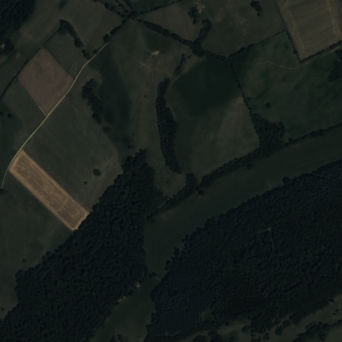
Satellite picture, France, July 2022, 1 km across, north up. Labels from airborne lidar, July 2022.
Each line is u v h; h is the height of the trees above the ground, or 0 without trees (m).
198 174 0
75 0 0
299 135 0
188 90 0
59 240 0
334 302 17
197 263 20
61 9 0
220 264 26
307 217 25
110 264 26
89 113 0
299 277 16
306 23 0
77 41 14
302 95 0
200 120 0
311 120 0
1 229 0
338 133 0
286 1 0
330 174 25
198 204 0
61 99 0
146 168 17
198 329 16
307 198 20
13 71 0
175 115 0
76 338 20
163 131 18
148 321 0
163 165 0
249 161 14
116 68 0
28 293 19
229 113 0
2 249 0
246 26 0
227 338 0
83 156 0
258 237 28
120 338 17
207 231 19
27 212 0
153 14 0
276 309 18
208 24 12
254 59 0
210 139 0
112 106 0
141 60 0
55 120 0
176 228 0
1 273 0
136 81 0
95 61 0
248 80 0
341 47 0
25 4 20
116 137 0
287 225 23
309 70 0
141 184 17
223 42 0
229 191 0
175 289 15
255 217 22
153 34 0
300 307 18
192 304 18
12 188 0
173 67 0
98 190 0
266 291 25
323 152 0
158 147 0
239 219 24
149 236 0
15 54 0
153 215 13
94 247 31
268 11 0
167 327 20
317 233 23
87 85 9
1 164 0
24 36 0
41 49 0
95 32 0
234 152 0
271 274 22
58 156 0
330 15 0
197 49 13
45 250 0
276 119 0
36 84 0
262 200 27
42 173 0
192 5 0
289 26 0
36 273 16
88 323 25
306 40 0
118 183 21
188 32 0
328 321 0
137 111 0
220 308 10
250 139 0
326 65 0
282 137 14
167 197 9
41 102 0
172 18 0
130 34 0
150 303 0
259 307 13
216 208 0
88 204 0
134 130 0
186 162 0
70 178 0
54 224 0
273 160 0
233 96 0
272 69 0
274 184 0
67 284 30
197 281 19
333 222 26
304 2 0
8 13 22
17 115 0
